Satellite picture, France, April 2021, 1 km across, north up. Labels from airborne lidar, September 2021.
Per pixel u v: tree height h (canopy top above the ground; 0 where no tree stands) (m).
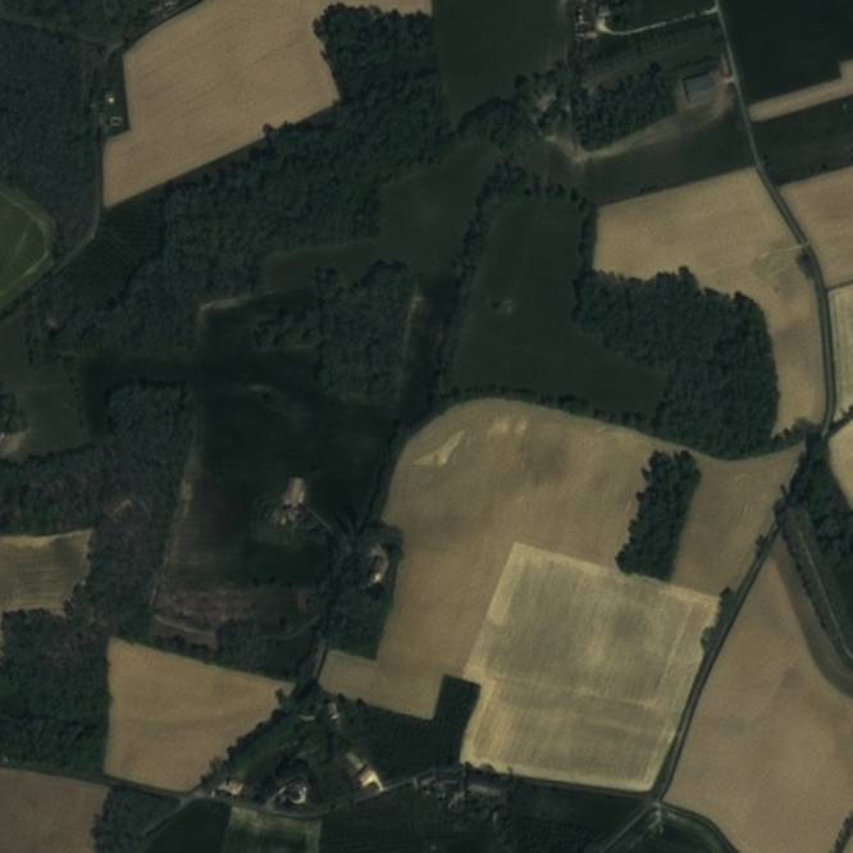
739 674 0
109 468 17
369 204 17
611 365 0
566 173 0
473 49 0
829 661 0
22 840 0
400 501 0
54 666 20
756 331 25
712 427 27
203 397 0
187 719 0
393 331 15
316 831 0
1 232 0
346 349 25
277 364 0
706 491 0
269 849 0
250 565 0
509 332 0
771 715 0
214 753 0
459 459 0
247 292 18
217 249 24
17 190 16
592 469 0
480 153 0
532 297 0
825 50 0
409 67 10
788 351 0
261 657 22
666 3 0
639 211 0
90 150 11
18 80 20
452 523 0
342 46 22
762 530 0
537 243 0
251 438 0
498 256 0
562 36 0
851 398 0
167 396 22
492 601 0
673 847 0
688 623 0
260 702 0
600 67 23
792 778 0
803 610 0
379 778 0
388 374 22
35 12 19
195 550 0
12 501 15
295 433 0
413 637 0
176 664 0
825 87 0
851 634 26
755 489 0
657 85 22
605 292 14
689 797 0
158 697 0
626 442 0
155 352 18
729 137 0
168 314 25
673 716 0
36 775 0
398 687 0
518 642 0
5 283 0
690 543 0
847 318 0
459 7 0
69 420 0
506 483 0
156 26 0
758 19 0
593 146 17
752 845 0
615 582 0
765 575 0
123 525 15
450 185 0
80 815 0
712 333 29
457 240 0
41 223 0
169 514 16
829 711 0
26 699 21
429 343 0
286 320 18
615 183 0
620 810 0
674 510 16
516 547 0
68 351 18
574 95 10
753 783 0
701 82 0
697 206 0
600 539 0
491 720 0
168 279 17
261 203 23
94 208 18
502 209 17
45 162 23
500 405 0
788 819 0
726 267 0
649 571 13
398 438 11
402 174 22
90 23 21
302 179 30
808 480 18
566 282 0
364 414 0
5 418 10
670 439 14
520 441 0
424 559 0
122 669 0
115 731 0
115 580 10
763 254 0
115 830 15
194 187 9
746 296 0
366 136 18
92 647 15
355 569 12
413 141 20
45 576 0
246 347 0
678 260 0
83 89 17
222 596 0
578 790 0
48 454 0
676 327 24
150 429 21
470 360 0
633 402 0
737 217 0
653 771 0
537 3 0
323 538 10
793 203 0
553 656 0
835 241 0
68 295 10
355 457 0
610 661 0
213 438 0
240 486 0
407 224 0
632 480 0
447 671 0
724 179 0
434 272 0
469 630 0
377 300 26
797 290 0
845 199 0
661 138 0
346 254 0
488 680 0
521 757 0
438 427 0
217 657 12
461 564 0
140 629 18
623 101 12
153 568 13
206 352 0
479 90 0
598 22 0
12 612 0
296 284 0
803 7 0
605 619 0
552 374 0
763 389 22
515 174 21
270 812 0
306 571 0
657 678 0
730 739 0
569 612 0
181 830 0
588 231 14
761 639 0
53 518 18
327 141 20
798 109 0
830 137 0
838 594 23
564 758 0
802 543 31
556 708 0
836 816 0
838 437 0
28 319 10
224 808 0
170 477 17
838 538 25
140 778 0
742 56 0
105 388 0
